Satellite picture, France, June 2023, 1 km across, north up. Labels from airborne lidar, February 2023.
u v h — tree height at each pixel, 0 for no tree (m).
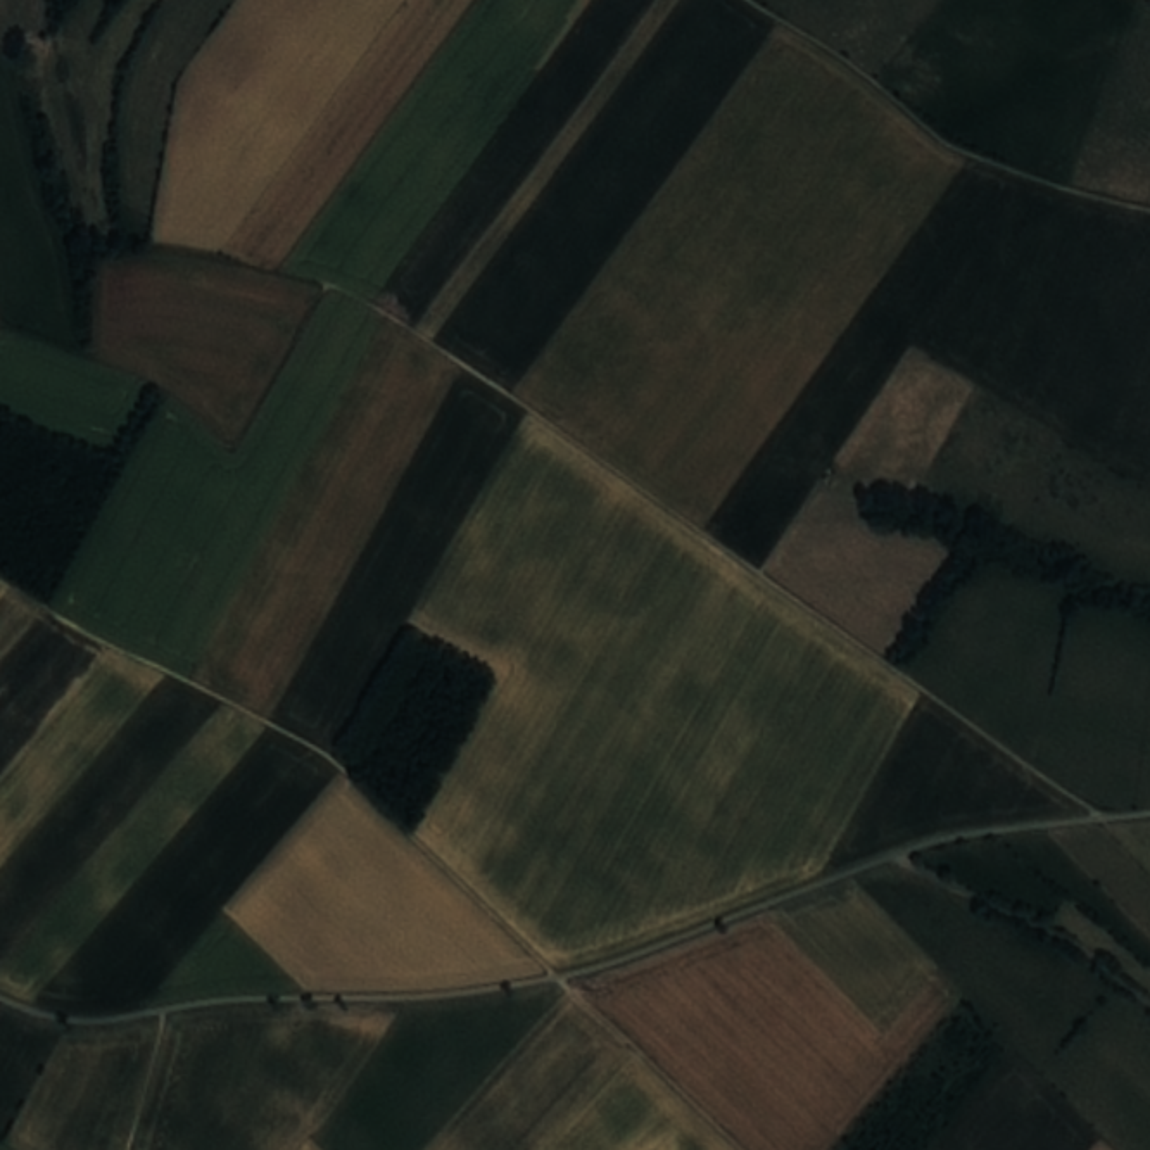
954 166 0
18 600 0
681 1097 0
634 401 0
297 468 0
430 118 0
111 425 0
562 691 0
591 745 0
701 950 0
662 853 0
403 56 0
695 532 0
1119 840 0
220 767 0
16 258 0
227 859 0
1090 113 0
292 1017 0
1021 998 0
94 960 0
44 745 0
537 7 0
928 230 0
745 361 0
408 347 0
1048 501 0
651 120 0
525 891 0
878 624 0
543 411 0
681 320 0
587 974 0
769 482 0
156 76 0
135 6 0
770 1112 0
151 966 0
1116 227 0
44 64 0
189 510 0
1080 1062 0
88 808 0
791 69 0
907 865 0
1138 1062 0
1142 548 0
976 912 12
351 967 0
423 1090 0
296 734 0
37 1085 0
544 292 0
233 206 0
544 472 0
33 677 0
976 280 0
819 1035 0
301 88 0
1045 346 0
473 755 0
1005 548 30
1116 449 0
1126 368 0
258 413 0
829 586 0
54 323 0
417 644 12
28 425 13
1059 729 0
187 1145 0
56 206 9
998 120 0
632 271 0
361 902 0
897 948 0
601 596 0
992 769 0
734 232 0
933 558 0
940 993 0
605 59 0
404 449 0
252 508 0
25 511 9
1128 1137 0
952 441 0
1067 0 0
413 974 0
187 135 0
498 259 0
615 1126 0
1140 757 0
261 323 0
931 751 0
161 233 0
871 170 0
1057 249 0
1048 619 0
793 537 0
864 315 0
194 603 0
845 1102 0
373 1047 0
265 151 0
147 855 0
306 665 0
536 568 0
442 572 0
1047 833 0
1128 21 0
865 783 0
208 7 0
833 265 0
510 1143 0
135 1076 0
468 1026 0
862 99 0
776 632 0
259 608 0
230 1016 0
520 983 0
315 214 0
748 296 0
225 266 0
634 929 0
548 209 0
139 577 0
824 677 0
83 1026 0
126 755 0
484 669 13
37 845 0
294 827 0
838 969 0
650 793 0
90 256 14
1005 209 0
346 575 0
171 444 0
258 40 0
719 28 0
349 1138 0
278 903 0
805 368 0
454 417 0
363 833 0
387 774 16
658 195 0
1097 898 0
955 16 0
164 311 0
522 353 0
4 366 0
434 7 0
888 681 0
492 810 0
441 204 0
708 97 0
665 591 0
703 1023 0
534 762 0
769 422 0
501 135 0
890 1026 0
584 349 0
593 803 0
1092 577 13
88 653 0
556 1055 0
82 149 0
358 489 0
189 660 0
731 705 0
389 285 0
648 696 0
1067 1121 0
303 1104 0
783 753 0
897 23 0
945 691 0
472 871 0
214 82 0
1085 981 0
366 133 0
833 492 0
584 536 0
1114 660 0
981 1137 0
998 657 0
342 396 0
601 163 0
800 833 0
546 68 0
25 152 0
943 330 0
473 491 0
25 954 0
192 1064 0
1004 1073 0
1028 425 0
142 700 0
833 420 0
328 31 0
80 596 0
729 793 0
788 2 0
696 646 0
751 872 0
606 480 0
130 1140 0
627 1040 0
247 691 0
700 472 0
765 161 0
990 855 0
